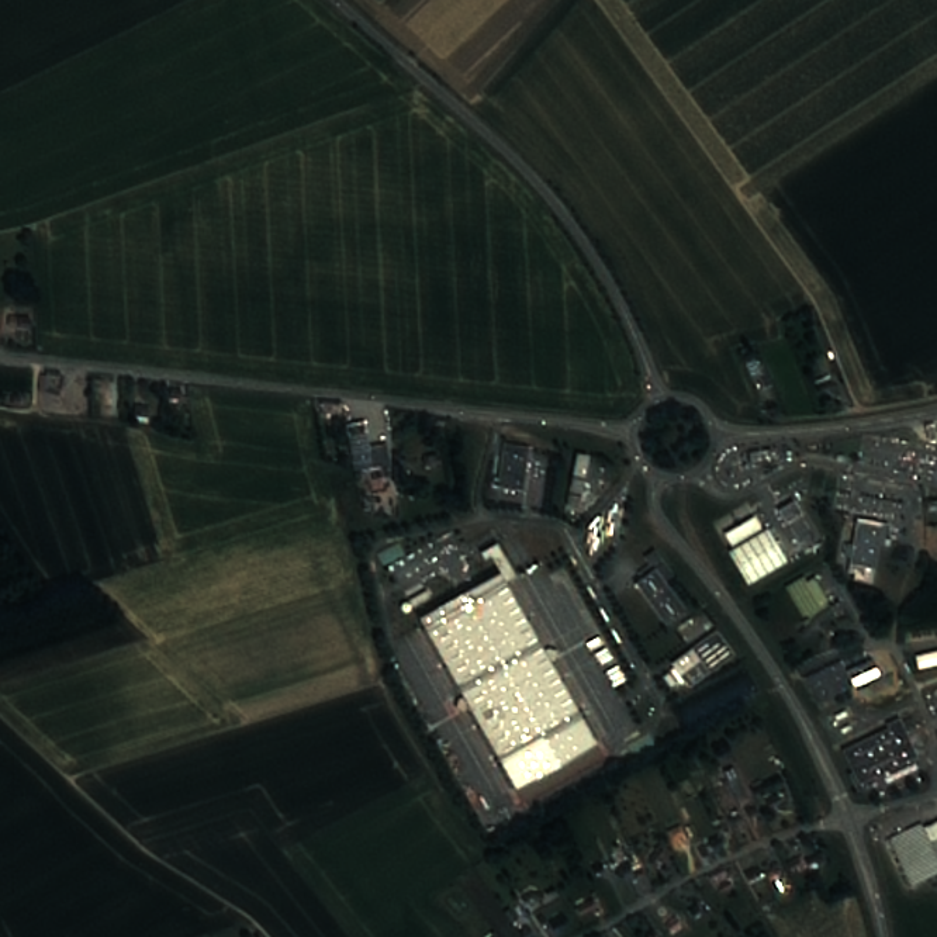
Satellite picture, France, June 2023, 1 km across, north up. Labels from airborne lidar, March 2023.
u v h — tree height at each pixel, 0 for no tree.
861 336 0
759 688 0
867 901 0
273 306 0
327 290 0
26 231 8
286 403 0
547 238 0
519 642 0
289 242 0
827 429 0
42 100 0
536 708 0
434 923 0
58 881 0
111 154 0
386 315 0
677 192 0
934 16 0
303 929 0
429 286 0
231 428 0
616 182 0
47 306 0
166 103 0
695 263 0
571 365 0
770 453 0
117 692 0
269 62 0
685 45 0
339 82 0
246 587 0
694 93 0
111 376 0
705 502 0
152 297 0
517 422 0
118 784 0
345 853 0
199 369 0
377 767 0
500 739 0
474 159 0
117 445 0
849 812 0
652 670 0
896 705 0
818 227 0
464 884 0
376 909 0
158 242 0
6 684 0
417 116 0
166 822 0
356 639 0
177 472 0
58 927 0
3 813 0
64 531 0
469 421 0
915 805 0
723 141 0
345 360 0
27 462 0
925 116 0
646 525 0
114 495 0
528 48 0
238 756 0
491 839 10
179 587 0
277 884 0
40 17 0
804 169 0
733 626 0
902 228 0
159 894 0
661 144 0
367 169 0
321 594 0
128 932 0
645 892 0
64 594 30
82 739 0
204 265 0
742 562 0
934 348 0
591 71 0
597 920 0
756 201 0
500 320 0
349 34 0
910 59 0
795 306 0
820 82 0
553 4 0
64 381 0
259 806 0
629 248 0
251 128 0
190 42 0
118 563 0
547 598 0
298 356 0
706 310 0
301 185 0
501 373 0
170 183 0
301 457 0
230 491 0
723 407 0
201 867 0
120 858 0
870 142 0
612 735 0
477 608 0
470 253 0
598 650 0
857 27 0
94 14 0
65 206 0
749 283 0
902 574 0
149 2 0
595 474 0
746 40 0
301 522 0
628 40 0
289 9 0
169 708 0
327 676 0
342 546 0
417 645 0
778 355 0
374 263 0
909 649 0
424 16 0
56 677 0
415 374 0
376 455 0
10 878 0
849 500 0
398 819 0
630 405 0
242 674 0
